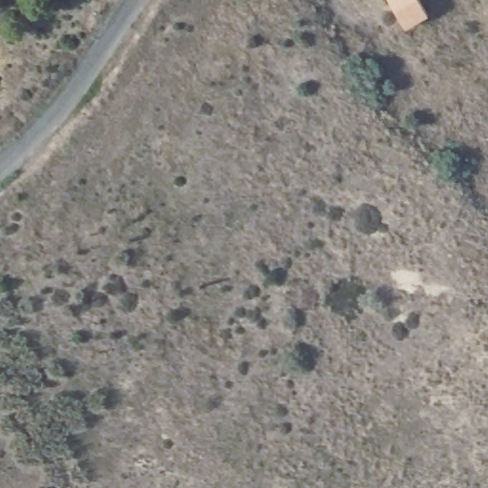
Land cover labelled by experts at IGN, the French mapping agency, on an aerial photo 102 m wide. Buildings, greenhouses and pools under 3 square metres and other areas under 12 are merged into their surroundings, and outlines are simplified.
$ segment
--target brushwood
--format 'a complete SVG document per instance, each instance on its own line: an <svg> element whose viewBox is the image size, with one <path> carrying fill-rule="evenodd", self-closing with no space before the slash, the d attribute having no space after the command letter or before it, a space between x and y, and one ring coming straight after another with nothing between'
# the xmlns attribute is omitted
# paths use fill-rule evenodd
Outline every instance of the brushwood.
<svg viewBox="0 0 488 488"><path fill-rule="evenodd" d="M385 233L389 225L383 223L381 212L376 206L362 204L358 208L356 219L358 231L368 234L377 231Z"/></svg>
<svg viewBox="0 0 488 488"><path fill-rule="evenodd" d="M393 318L398 315L395 288L381 286L377 288L376 299L383 303L385 316Z"/></svg>
<svg viewBox="0 0 488 488"><path fill-rule="evenodd" d="M69 53L69 50L76 48L88 36L88 32L78 32L65 34L61 42L53 46L50 59L36 65L38 74L48 72L48 65L67 65L71 61L74 55Z"/></svg>
<svg viewBox="0 0 488 488"><path fill-rule="evenodd" d="M335 315L343 316L347 322L353 322L356 316L362 313L362 309L358 307L358 297L364 294L364 286L358 276L347 276L339 278L330 286L330 290L326 290L326 307L330 307Z"/></svg>
<svg viewBox="0 0 488 488"><path fill-rule="evenodd" d="M103 294L97 292L97 284L88 284L84 292L78 295L82 301L71 305L69 313L72 316L80 316L90 307L105 305L114 294L122 295L122 311L133 311L137 305L137 294L133 294L126 286L122 276L112 274Z"/></svg>
<svg viewBox="0 0 488 488"><path fill-rule="evenodd" d="M320 355L313 345L297 343L297 364L303 372L311 372Z"/></svg>
<svg viewBox="0 0 488 488"><path fill-rule="evenodd" d="M152 231L147 227L143 229L143 233L130 238L130 242L137 242L137 248L126 250L128 267L145 267L147 263L145 240L151 238Z"/></svg>
<svg viewBox="0 0 488 488"><path fill-rule="evenodd" d="M410 330L419 326L419 315L412 313L404 322L396 324L393 328L398 339L404 339Z"/></svg>
<svg viewBox="0 0 488 488"><path fill-rule="evenodd" d="M395 99L398 97L398 90L395 90L389 84L389 80L379 72L376 63L368 59L366 69L362 69L360 57L347 57L341 63L345 90L351 91L353 99L364 99L370 111L387 112L391 116L396 116L398 107Z"/></svg>
<svg viewBox="0 0 488 488"><path fill-rule="evenodd" d="M42 311L44 299L48 294L53 297L55 305L61 305L69 299L67 292L61 292L57 288L42 288L38 295L30 297L34 313Z"/></svg>
<svg viewBox="0 0 488 488"><path fill-rule="evenodd" d="M263 274L263 280L271 286L284 284L288 273L282 269L269 269L265 259L261 259L257 261L257 269Z"/></svg>
<svg viewBox="0 0 488 488"><path fill-rule="evenodd" d="M90 105L91 99L97 95L103 82L95 78L88 90L80 99L72 109L74 116L78 116L84 107Z"/></svg>
<svg viewBox="0 0 488 488"><path fill-rule="evenodd" d="M15 295L15 288L21 286L21 278L0 273L0 412L4 408L10 410L11 427L15 433L15 440L11 442L11 446L17 452L17 459L25 465L44 465L44 471L50 477L48 486L51 488L69 488L65 461L72 459L72 452L67 446L67 437L84 433L86 421L80 410L88 406L88 410L93 414L95 408L105 406L105 396L99 391L86 393L80 400L61 395L69 387L69 379L63 374L61 366L55 366L53 362L61 356L55 347L42 345L46 358L36 358L34 351L27 347L27 339L21 337L21 324L27 322L25 316L21 316L21 311L25 311L25 307L19 303L19 295Z"/></svg>
<svg viewBox="0 0 488 488"><path fill-rule="evenodd" d="M437 168L437 187L456 183L461 187L461 191L469 191L475 187L475 175L482 166L484 156L480 149L473 149L461 143L459 147L442 147L438 152L431 154L431 166Z"/></svg>
<svg viewBox="0 0 488 488"><path fill-rule="evenodd" d="M259 328L267 326L267 318L257 307L238 307L238 316L254 320Z"/></svg>
<svg viewBox="0 0 488 488"><path fill-rule="evenodd" d="M126 219L120 225L120 229L128 231L135 223L145 221L152 213L152 208L147 208L137 217Z"/></svg>
<svg viewBox="0 0 488 488"><path fill-rule="evenodd" d="M328 206L322 198L315 196L313 206L316 213L326 215L335 221L341 219L343 208Z"/></svg>

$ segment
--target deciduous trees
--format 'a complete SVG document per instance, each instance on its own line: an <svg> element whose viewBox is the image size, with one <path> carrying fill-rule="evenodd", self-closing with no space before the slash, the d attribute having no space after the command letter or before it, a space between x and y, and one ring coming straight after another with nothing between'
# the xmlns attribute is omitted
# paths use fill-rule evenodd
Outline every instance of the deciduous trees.
<svg viewBox="0 0 488 488"><path fill-rule="evenodd" d="M6 17L4 13L0 15L0 40L10 40L11 44L15 44L17 40L21 40L21 36L17 36L13 29L13 17Z"/></svg>
<svg viewBox="0 0 488 488"><path fill-rule="evenodd" d="M15 0L19 4L19 10L29 21L38 19L46 0Z"/></svg>

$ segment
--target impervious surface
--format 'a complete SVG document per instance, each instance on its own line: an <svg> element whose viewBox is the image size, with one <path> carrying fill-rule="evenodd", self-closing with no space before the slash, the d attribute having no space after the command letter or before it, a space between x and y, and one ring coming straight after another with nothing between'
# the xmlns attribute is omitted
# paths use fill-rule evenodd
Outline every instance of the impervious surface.
<svg viewBox="0 0 488 488"><path fill-rule="evenodd" d="M78 63L78 69L72 74L71 80L65 84L65 90L61 91L59 99L34 122L34 126L25 132L21 141L10 145L0 154L0 170L6 170L13 160L17 160L27 151L27 147L38 135L50 132L53 122L69 111L69 107L78 97L80 99L88 90L86 86L93 72L97 71L114 38L124 29L126 21L143 0L114 0L109 15L97 13L95 29L99 30L99 34L86 57Z"/></svg>

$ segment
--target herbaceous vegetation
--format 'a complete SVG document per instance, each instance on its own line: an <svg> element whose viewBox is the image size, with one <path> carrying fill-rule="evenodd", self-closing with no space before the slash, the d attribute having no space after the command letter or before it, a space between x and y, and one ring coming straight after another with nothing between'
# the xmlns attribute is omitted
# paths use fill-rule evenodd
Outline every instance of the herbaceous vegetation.
<svg viewBox="0 0 488 488"><path fill-rule="evenodd" d="M21 278L21 286L15 288L15 295L19 295L19 303L25 307L25 311L21 311L21 316L25 316L27 322L21 324L21 337L27 339L27 347L34 351L36 358L46 358L42 345L55 347L61 356L53 362L55 366L61 366L63 374L69 379L69 387L61 395L80 400L86 393L99 391L105 396L105 406L95 408L93 414L88 410L88 406L80 410L86 421L84 433L67 437L67 446L72 452L72 459L65 461L69 488L488 488L488 0L419 0L421 8L425 11L425 19L417 23L416 27L406 30L398 25L395 13L389 8L389 0L143 0L126 21L124 29L114 38L97 71L93 72L86 86L88 90L95 78L103 82L97 95L91 99L90 105L84 107L78 116L74 116L72 109L80 99L78 97L69 107L69 111L53 122L50 132L38 135L27 147L27 151L17 160L13 160L6 170L0 170L0 273ZM353 99L351 91L345 90L341 63L347 57L360 57L362 69L366 69L368 59L376 63L379 72L389 80L389 84L395 90L398 90L398 97L395 99L398 107L396 116L391 116L387 112L370 111L364 99ZM482 166L475 175L475 187L469 191L461 191L461 187L456 183L437 187L437 168L431 166L431 154L438 152L442 147L459 147L461 143L473 149L480 149L484 156ZM313 206L315 196L322 198L328 206L343 208L341 219L335 221L326 215L316 213ZM358 231L356 219L358 208L362 204L376 206L381 212L383 223L389 225L385 233L377 231L368 234ZM128 231L120 229L120 225L126 219L137 217L147 208L152 208L152 213L145 221L135 223ZM137 242L130 242L130 238L143 233L143 229L147 227L152 231L151 238L145 240L147 263L145 267L128 267L126 250L137 248ZM282 269L288 273L284 284L271 286L263 280L263 274L257 269L257 261L261 259L265 259L269 269ZM133 294L137 294L137 305L133 311L122 311L122 295L114 294L105 305L90 307L80 316L72 316L69 313L71 305L82 301L78 295L84 292L88 284L97 284L97 292L103 294L112 274L122 276L126 286ZM358 297L358 307L362 309L362 313L356 316L353 322L347 322L343 316L335 315L330 307L326 307L326 290L330 290L330 286L339 278L347 276L358 276L364 286L364 294ZM385 316L383 303L376 299L377 288L381 286L395 288L398 315L393 318ZM55 305L53 297L48 294L44 299L42 311L34 313L30 297L38 295L42 288L57 288L61 292L67 292L69 299L61 305ZM259 328L254 320L238 316L238 307L257 307L267 318L267 326ZM396 324L404 322L412 313L419 315L419 326L410 330L404 339L398 339L393 328ZM320 355L311 372L303 372L297 364L297 343L313 345Z"/></svg>
<svg viewBox="0 0 488 488"><path fill-rule="evenodd" d="M51 488L48 486L50 477L44 471L44 465L25 465L17 459L17 452L11 446L11 442L15 440L15 433L11 427L10 410L4 408L0 412L0 488Z"/></svg>
<svg viewBox="0 0 488 488"><path fill-rule="evenodd" d="M86 57L99 34L99 30L95 29L97 13L109 15L114 0L46 0L38 19L29 21L19 10L19 4L15 0L0 0L0 15L4 13L6 17L13 17L13 29L17 36L21 36L21 40L17 40L15 44L11 44L10 40L0 40L0 154L10 145L21 141L25 132L34 126L34 122L59 99L61 91L65 90L65 84L71 80L72 74L78 69L78 63ZM48 65L48 72L38 74L36 65L50 59L53 46L61 42L65 34L78 32L88 32L88 36L76 48L69 50L69 53L74 55L71 61L67 65Z"/></svg>

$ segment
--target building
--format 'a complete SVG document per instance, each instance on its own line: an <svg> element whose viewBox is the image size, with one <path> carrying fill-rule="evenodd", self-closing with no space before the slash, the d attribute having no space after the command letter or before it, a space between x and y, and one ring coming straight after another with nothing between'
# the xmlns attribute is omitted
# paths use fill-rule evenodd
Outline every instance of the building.
<svg viewBox="0 0 488 488"><path fill-rule="evenodd" d="M389 0L389 8L395 13L398 25L406 30L416 27L417 23L425 19L425 11L421 8L419 0Z"/></svg>

